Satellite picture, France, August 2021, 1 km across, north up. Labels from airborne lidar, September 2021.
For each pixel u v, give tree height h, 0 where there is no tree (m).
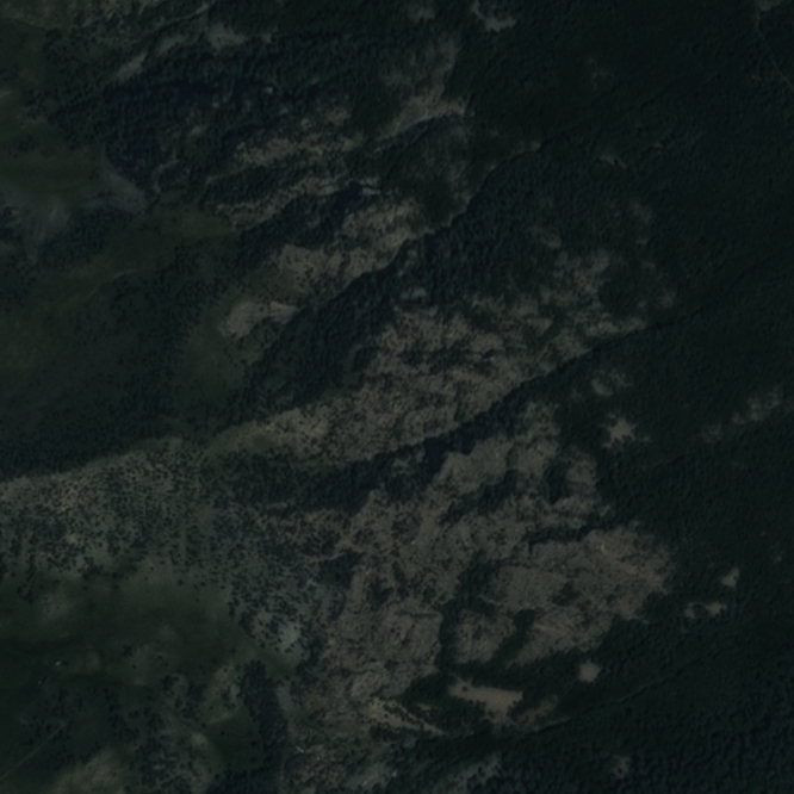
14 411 0
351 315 8
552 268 8
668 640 24
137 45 7
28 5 0
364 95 8
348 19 15
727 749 10
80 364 0
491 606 7
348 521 7
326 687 7
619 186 12
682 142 23
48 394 0
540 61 14
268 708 8
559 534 13
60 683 0
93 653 0
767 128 14
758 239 23
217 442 0
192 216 0
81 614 0
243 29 7
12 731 0
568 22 19
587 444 13
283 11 8
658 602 12
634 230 6
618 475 21
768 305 13
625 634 17
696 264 25
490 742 10
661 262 11
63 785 0
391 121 9
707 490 16
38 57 0
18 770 0
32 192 0
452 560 9
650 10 22
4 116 0
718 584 19
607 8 20
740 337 18
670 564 10
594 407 14
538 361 8
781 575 15
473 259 9
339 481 10
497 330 8
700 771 31
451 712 12
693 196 21
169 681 7
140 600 0
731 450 16
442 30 8
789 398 13
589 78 7
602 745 16
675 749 30
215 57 7
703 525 16
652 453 14
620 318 7
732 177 17
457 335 7
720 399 16
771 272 12
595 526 21
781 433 15
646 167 19
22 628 0
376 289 12
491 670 11
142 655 0
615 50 14
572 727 13
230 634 0
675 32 20
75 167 0
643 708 15
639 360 11
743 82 25
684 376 13
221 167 9
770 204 19
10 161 0
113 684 0
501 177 7
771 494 17
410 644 6
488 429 7
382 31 8
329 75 12
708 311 13
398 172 10
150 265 0
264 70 12
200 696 8
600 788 21
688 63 16
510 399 18
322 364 6
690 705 11
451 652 16
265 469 6
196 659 0
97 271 0
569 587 10
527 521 6
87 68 7
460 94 6
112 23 7
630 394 7
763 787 21
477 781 11
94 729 0
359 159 13
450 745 10
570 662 10
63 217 0
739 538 13
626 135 21
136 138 6
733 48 16
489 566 10
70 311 0
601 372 7
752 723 20
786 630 16
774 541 8
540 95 21
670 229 16
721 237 23
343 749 7
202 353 0
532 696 10
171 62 7
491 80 14
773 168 17
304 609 0
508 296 9
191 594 0
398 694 7
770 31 20
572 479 8
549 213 11
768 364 13
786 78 9
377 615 9
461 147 9
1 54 0
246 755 0
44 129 0
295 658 0
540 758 11
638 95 19
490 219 7
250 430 0
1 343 0
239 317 0
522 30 18
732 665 10
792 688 26
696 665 10
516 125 10
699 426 10
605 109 17
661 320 8
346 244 8
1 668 0
